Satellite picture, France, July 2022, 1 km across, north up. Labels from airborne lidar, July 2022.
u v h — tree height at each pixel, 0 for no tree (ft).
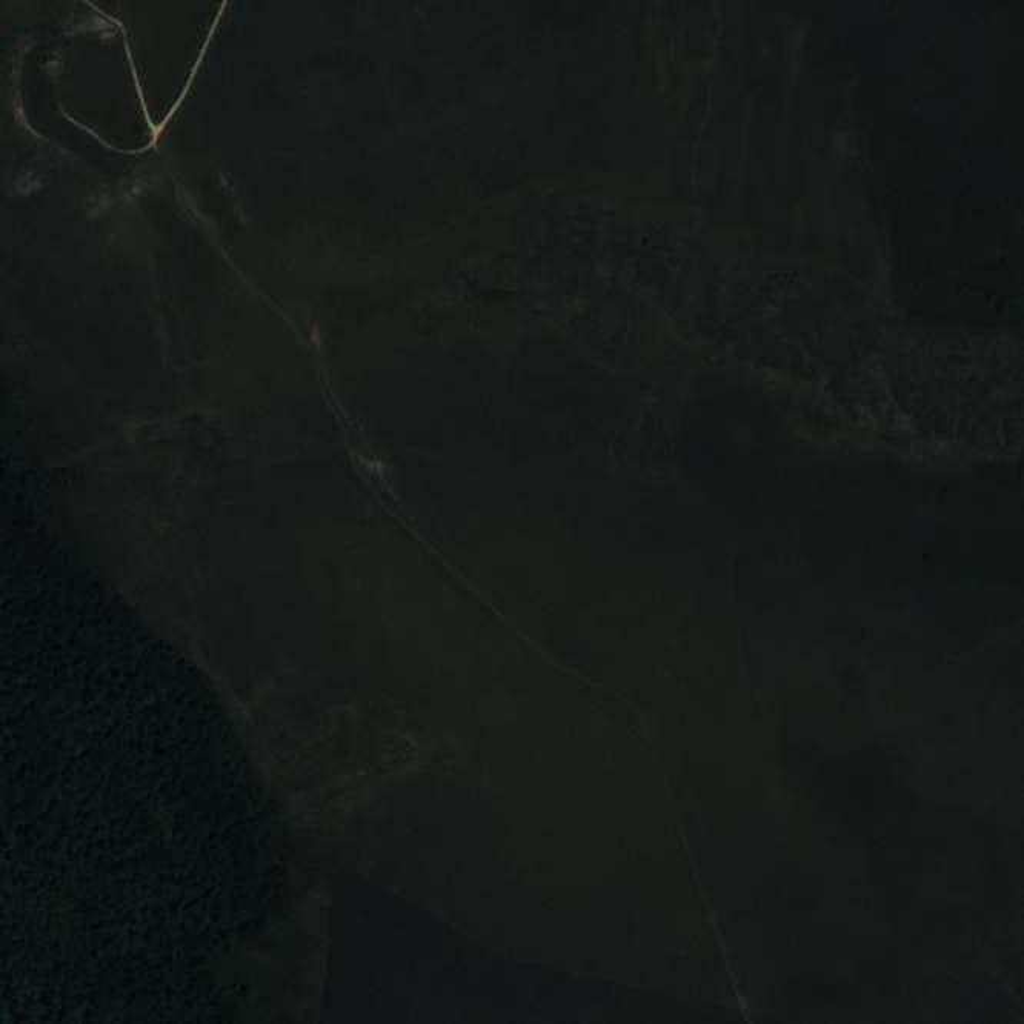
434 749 0
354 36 0
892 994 0
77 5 0
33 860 37
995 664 0
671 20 0
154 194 0
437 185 0
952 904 0
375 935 0
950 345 0
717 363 0
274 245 0
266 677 0
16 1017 50
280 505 0
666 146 0
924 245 0
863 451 0
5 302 0
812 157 0
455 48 0
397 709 0
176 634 0
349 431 0
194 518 0
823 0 0
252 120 0
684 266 0
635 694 0
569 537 0
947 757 0
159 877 24
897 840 0
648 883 0
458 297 0
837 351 0
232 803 36
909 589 0
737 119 0
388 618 0
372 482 0
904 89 0
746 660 0
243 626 0
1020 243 0
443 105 0
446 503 0
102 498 0
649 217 0
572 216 0
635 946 0
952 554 0
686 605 0
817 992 0
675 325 0
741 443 0
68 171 0
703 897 0
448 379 0
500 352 0
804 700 0
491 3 0
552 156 0
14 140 0
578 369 0
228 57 0
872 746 0
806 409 0
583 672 0
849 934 0
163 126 0
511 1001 0
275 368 0
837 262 0
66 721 50
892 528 0
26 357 0
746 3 0
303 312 0
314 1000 0
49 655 34
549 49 0
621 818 0
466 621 0
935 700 0
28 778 50
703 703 0
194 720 31
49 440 0
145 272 0
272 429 0
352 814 0
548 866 0
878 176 0
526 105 0
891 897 0
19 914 40
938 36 0
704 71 0
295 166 0
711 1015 0
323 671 0
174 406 0
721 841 0
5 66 0
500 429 0
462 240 0
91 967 46
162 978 41
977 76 0
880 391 0
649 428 0
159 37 0
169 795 40
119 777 46
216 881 38
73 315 0
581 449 0
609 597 0
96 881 42
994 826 0
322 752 0
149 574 0
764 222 0
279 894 22
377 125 0
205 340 0
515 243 0
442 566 0
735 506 0
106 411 0
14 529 33
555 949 0
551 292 0
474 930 0
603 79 0
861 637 0
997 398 0
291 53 0
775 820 0
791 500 0
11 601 48
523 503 0
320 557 0
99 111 0
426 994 0
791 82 0
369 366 0
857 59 0
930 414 0
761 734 0
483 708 0
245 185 0
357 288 0
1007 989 0
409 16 0
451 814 0
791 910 0
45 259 0
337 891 0
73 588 38
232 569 0
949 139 0
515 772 0
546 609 0
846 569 0
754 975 0
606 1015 0
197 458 0
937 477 0
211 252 0
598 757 0
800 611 0
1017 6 0
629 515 0
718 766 0
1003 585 0
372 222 0
